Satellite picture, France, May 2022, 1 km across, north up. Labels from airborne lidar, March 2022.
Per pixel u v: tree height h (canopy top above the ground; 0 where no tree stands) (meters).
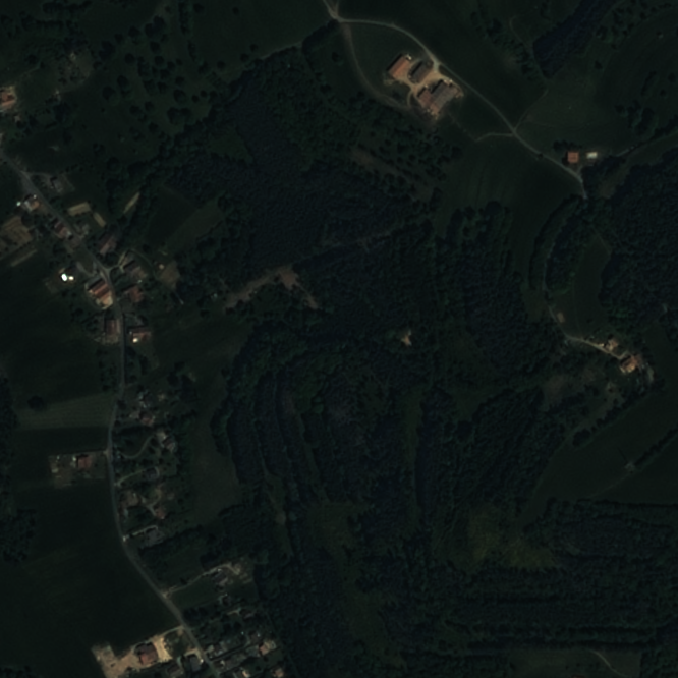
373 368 21
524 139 0
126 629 0
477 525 0
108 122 0
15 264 0
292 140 22
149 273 0
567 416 21
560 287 17
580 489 0
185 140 18
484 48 0
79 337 0
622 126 0
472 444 8
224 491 0
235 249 20
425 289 16
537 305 0
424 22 0
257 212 25
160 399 0
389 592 26
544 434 18
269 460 27
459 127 0
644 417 0
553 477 0
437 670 23
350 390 26
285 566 22
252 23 0
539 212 0
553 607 19
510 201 0
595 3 20
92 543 0
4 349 0
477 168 0
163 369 0
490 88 0
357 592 0
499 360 25
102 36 0
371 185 11
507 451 14
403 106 0
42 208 0
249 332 0
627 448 0
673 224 21
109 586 0
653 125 17
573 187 0
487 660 17
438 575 22
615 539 15
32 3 0
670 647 22
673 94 0
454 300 12
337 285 23
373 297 24
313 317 21
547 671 0
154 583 0
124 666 0
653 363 16
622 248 24
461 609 17
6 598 0
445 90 0
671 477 0
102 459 0
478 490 9
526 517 0
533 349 14
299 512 27
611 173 21
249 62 11
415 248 16
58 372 0
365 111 16
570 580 23
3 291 0
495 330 26
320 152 14
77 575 0
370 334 22
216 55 0
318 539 0
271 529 20
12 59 0
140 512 7
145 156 0
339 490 20
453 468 19
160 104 0
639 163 0
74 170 6
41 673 0
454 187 0
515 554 0
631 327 12
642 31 0
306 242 21
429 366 18
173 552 11
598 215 25
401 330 21
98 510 0
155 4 0
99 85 0
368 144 0
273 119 26
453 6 0
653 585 23
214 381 0
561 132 0
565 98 0
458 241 20
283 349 23
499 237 20
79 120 0
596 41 0
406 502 23
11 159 0
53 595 0
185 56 0
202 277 25
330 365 22
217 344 0
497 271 19
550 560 0
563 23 0
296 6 0
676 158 17
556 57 28
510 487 18
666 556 17
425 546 22
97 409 0
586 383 0
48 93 0
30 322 0
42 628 0
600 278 0
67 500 0
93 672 0
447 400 31
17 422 15
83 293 0
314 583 27
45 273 0
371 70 0
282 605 28
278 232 25
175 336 0
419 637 22
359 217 26
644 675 7
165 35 13
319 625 27
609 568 27
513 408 9
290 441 32
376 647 0
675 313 7
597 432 8
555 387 0
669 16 0
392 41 0
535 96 0
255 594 0
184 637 0
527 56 23
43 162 0
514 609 19
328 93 17
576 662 0
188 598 0
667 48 0
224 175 25
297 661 19
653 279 22
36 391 0
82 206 0
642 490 0
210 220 0
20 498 0
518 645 24
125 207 0
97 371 0
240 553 11
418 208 11
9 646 0
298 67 11
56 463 0
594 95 0
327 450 21
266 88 24
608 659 0
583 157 0
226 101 19
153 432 8
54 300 0
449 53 0
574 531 20
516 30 0
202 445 0
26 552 10
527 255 0
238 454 24
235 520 10
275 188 24
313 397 17
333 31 14
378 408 0
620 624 23
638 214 21
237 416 28
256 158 27
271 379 25
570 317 0
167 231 0
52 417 0
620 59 0
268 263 22
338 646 29
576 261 21
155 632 0
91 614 0
